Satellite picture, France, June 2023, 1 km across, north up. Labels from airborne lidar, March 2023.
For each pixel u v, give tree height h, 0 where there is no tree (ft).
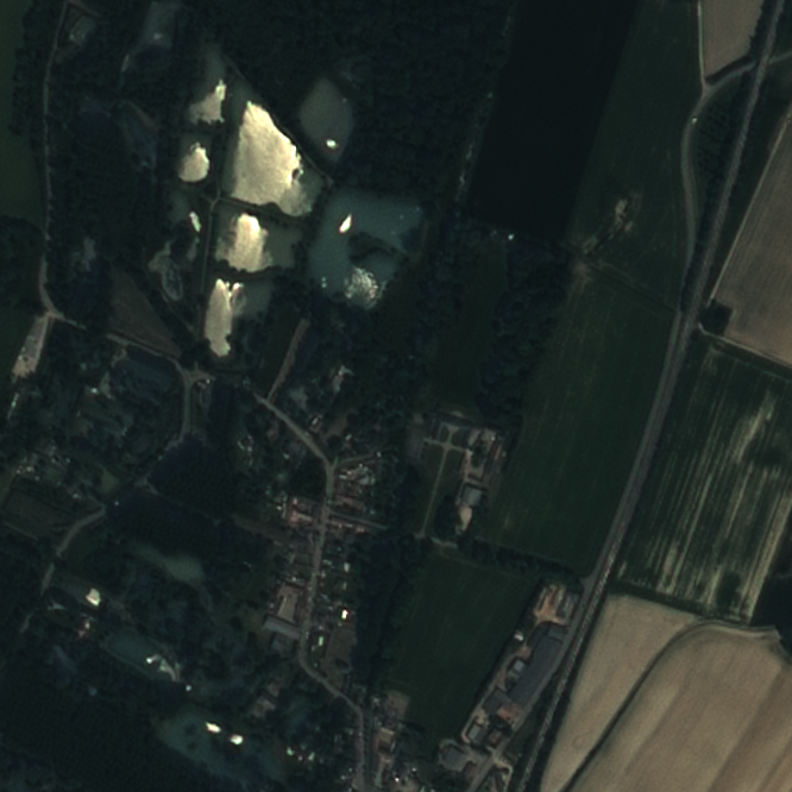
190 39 63
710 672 0
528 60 0
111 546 39
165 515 98
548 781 0
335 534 0
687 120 0
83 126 105
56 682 83
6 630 120
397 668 0
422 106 100
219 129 31
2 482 0
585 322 0
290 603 0
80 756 77
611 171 0
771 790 0
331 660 0
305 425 50
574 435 0
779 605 0
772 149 0
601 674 0
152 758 83
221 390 81
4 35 0
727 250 0
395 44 24
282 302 60
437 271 84
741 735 0
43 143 18
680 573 0
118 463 26
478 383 0
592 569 0
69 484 37
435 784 18
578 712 0
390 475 22
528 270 35
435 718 0
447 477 0
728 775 0
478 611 0
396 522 44
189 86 75
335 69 0
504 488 0
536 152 0
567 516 0
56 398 36
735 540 0
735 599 0
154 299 52
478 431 0
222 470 91
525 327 104
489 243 65
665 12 0
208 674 57
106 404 69
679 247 0
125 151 91
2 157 0
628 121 0
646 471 0
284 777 0
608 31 0
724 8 0
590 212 0
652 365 0
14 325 0
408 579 65
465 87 109
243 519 0
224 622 0
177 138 22
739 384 0
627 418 0
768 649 0
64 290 67
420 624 0
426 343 84
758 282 0
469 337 0
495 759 0
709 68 0
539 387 0
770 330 0
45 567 0
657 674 0
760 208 0
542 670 0
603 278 0
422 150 114
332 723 61
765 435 0
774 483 0
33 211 0
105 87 91
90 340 38
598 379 0
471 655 0
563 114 0
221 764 0
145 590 19
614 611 0
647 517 0
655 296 0
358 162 87
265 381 0
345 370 0
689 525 0
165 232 45
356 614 0
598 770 0
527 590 0
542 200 0
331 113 0
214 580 77
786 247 0
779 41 33
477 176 0
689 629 0
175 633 25
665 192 0
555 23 0
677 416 0
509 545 0
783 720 0
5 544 90
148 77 42
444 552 0
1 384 0
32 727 64
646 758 0
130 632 0
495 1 115
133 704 50
